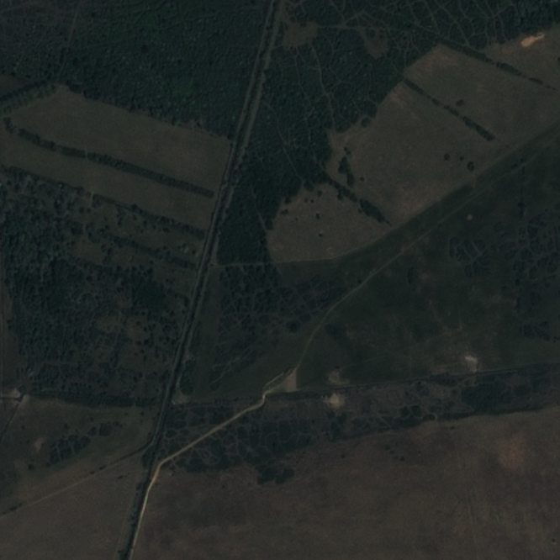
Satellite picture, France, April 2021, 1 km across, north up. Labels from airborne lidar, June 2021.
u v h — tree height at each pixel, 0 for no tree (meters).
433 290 0
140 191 0
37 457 0
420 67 0
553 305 0
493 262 0
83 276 10
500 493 0
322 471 0
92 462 0
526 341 0
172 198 0
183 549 0
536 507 0
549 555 0
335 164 0
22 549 0
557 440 0
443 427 0
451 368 0
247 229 8
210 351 0
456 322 0
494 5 6
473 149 0
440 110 0
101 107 0
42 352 10
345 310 0
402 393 0
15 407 0
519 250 0
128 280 9
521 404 0
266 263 10
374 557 0
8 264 6
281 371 0
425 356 0
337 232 0
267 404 0
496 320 0
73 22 0
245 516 0
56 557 0
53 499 0
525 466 0
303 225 0
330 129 7
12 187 11
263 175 6
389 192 0
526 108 0
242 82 0
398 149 0
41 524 0
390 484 0
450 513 0
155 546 0
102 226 0
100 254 0
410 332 0
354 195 6
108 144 0
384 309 0
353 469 0
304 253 0
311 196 0
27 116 0
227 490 0
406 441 0
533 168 0
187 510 0
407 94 0
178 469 0
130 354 0
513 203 0
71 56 7
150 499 0
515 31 7
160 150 0
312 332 0
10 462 0
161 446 0
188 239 0
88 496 0
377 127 0
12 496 0
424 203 0
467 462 0
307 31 0
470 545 0
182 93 11
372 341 0
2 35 0
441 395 0
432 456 0
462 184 0
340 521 0
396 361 0
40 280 17
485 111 0
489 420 0
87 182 0
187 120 8
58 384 7
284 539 0
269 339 0
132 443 0
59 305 11
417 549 0
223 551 0
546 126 0
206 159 0
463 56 0
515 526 0
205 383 0
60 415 0
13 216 17
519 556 0
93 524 0
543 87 0
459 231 0
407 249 0
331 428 0
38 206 19
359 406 0
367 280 0
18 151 0
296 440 0
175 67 7
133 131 0
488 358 0
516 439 0
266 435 0
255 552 0
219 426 0
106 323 0
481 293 0
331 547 0
